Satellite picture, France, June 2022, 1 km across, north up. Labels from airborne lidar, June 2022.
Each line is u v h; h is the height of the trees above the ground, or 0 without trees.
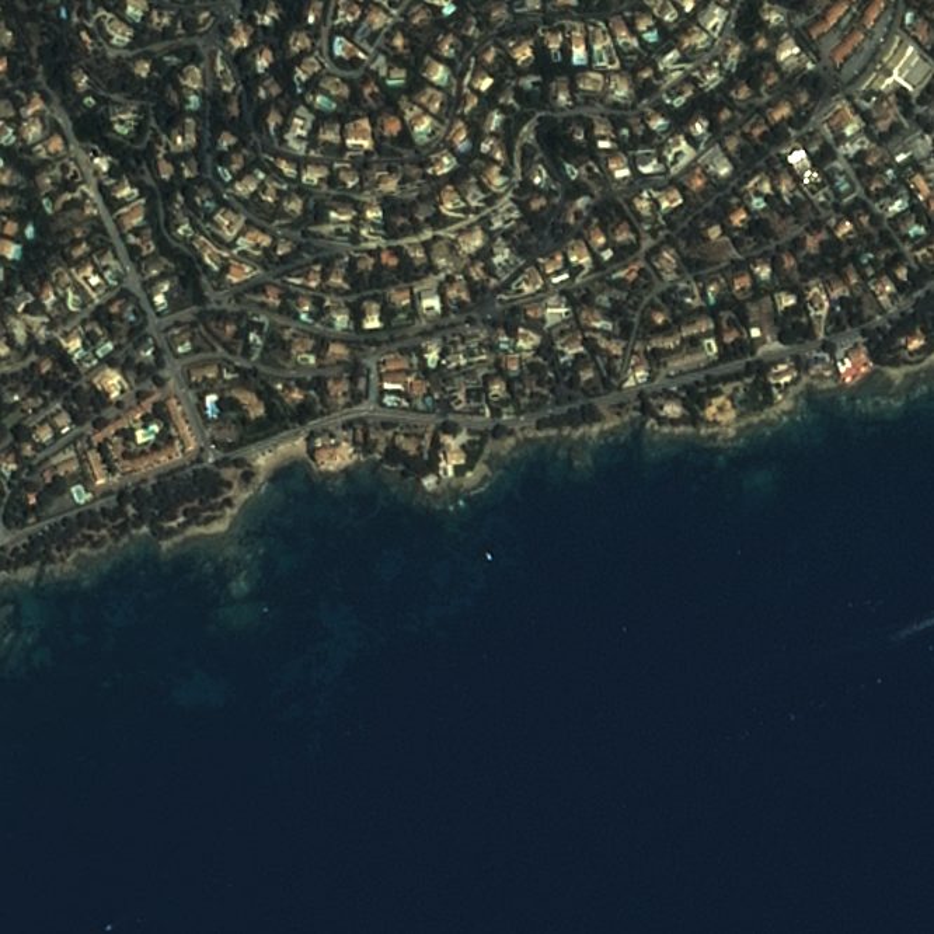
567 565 0
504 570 0
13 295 10
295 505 0
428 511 0
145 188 8
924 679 0
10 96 6
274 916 0
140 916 0
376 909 0
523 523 0
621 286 10
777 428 0
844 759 0
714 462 0
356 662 0
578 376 8
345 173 0
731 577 0
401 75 0
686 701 0
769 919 0
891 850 0
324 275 11
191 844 0
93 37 12
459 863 0
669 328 8
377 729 0
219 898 0
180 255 7
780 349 0
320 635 0
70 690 0
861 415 0
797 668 0
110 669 0
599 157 9
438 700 0
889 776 0
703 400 6
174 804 0
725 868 0
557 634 0
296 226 7
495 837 0
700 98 6
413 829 0
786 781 0
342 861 0
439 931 0
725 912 0
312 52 6
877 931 0
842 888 0
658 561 0
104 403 12
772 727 0
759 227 11
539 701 0
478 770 0
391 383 0
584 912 0
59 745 0
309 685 0
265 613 0
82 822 0
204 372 0
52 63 7
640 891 0
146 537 0
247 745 0
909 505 0
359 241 10
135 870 0
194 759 0
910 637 0
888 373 0
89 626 0
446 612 0
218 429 0
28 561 8
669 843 0
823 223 9
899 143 0
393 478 0
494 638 0
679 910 0
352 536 0
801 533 0
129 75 7
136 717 0
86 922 0
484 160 9
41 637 0
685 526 0
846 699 0
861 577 0
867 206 6
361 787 0
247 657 0
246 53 6
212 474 11
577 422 8
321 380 11
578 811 0
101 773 0
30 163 6
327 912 0
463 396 0
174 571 0
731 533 0
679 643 0
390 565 0
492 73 7
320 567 0
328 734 0
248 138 7
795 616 0
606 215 6
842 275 7
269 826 0
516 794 0
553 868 0
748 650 0
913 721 0
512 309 7
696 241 11
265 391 6
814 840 0
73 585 0
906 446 0
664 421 11
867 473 0
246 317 9
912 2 8
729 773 0
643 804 0
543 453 0
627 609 0
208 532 0
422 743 0
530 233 9
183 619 0
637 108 7
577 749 0
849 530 0
